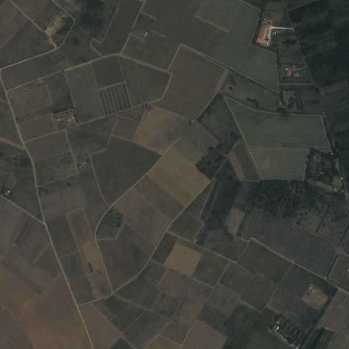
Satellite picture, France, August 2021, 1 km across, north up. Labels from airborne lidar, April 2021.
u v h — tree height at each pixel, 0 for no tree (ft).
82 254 0
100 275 0
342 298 0
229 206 0
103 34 0
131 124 0
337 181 0
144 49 0
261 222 0
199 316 0
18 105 0
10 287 0
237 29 0
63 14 0
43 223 0
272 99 0
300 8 20
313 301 0
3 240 0
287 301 0
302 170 0
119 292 0
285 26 0
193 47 0
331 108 0
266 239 0
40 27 0
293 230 0
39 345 0
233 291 0
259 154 0
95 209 0
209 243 0
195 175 0
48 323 0
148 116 0
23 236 0
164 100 0
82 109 0
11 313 0
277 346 0
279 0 0
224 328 0
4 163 0
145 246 0
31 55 0
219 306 0
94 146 0
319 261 0
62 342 0
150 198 0
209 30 0
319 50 0
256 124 0
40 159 0
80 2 0
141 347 0
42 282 0
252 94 0
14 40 0
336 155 51
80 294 0
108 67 0
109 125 0
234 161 0
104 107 0
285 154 0
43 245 0
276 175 0
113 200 0
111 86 0
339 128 0
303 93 0
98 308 0
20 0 0
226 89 0
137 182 0
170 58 0
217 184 0
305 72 0
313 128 0
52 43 0
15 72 0
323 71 0
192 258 0
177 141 0
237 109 0
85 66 0
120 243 0
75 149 0
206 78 0
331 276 0
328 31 0
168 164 0
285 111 40
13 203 0
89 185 0
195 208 0
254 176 0
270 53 0
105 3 0
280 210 0
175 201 0
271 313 0
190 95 0
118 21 0
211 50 0
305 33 0
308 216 0
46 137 0
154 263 0
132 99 0
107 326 0
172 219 0
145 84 0
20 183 0
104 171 0
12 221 0
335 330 0
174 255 0
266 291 0
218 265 0
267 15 0
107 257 0
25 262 0
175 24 0
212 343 0
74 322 0
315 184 0
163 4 0
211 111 0
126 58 0
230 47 0
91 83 0
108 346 0
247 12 0
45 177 0
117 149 0
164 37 0
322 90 0
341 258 0
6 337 0
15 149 0
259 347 0
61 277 0
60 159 0
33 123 0
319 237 0
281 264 0
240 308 0
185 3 0
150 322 0
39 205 0
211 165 33
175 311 0
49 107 0
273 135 0
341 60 20
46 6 0
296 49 0
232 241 0
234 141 0
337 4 0
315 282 0
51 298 0
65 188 0
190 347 0
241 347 0
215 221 0
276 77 0
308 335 31
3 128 0
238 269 0
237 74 0
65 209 0
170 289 0
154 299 0
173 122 0
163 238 0
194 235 0
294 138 0
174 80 0
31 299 0
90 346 0
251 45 0
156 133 0
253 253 0
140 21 0
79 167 0
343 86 0
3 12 0
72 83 0
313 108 0
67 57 0
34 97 0
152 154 0
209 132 0
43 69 0
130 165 0
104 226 0
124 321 0
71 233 0
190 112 0
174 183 0
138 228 0
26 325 0
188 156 0
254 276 0
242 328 0
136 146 0
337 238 0
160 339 0
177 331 0
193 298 0
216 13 0
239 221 0
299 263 0
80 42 0
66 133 0
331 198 0
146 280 0
